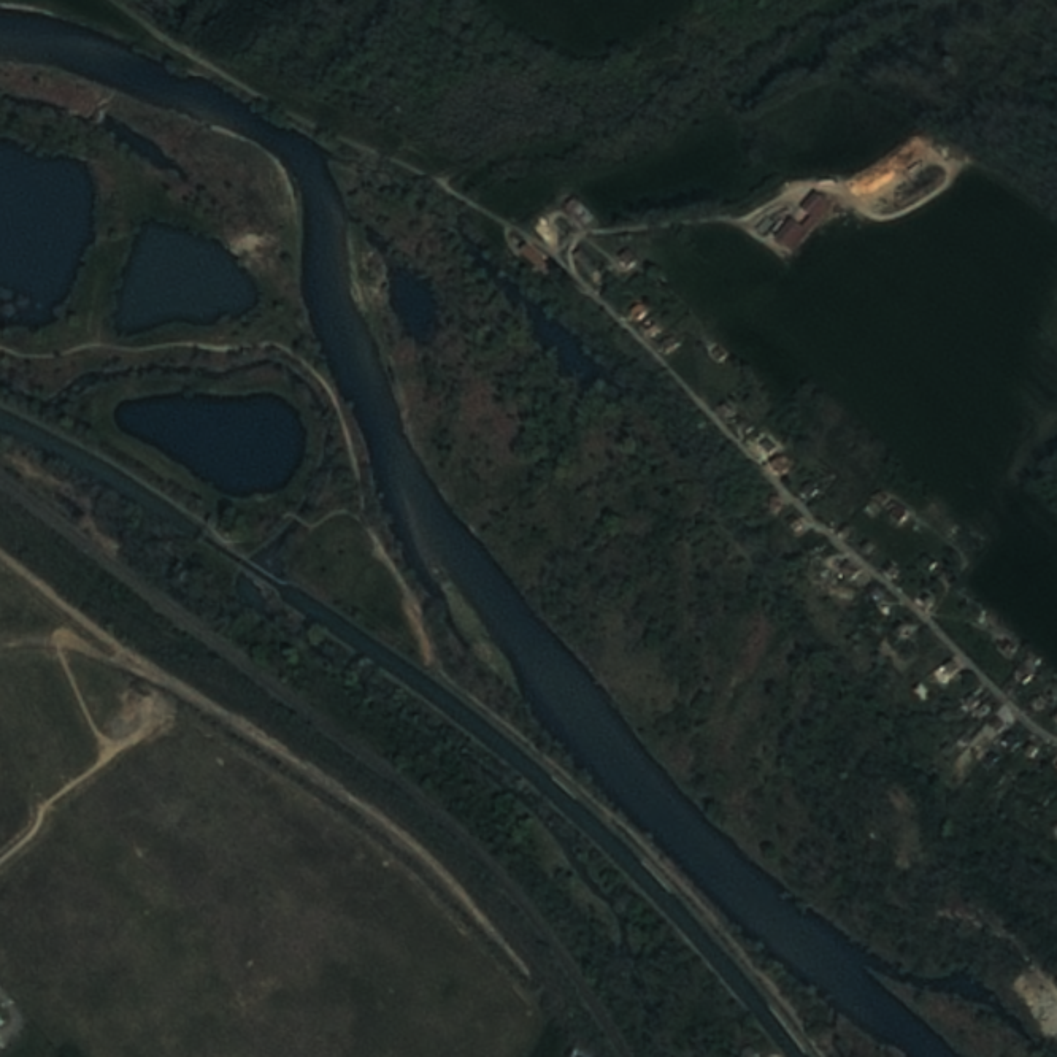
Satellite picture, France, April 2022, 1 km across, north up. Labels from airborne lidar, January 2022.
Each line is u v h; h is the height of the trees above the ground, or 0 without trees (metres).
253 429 0
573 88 16
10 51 0
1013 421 0
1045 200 22
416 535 0
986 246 0
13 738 0
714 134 0
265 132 0
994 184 0
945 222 0
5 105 11
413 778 11
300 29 11
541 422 14
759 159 16
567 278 19
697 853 0
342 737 0
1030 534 0
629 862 0
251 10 13
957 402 0
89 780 0
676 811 0
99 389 14
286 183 0
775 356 0
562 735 0
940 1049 0
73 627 0
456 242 12
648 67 12
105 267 0
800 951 0
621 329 9
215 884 0
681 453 9
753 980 0
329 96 21
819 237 0
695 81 26
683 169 0
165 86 0
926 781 21
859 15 16
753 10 19
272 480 0
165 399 0
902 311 0
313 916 0
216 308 0
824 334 0
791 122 0
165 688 0
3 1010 0
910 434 0
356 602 0
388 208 10
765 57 22
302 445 0
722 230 0
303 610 0
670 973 24
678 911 0
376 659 0
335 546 0
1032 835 7
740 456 14
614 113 18
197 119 0
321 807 0
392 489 0
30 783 0
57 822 0
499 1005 0
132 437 0
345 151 12
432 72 22
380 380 0
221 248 0
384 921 0
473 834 7
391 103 17
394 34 26
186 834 0
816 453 18
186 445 0
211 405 0
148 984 0
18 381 19
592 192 0
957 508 0
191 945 0
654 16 0
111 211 11
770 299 0
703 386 0
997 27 26
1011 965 16
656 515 7
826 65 13
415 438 0
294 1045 0
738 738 0
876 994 0
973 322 0
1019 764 0
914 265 0
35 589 0
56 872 0
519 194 0
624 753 0
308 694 0
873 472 0
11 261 0
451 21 25
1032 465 0
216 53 11
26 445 13
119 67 0
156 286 0
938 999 0
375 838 0
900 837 0
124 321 0
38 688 0
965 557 0
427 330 0
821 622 0
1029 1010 0
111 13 0
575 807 0
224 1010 0
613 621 0
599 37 0
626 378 25
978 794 0
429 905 0
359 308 0
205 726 0
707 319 0
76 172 0
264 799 0
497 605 0
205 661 10
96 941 0
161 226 0
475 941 0
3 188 0
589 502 14
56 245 0
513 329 20
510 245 0
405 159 0
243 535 22
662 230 15
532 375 14
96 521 13
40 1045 0
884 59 11
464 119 21
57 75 0
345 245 0
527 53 27
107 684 0
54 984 0
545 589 17
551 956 15
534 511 7
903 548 0
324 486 18
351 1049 0
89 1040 0
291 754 0
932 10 7
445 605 12
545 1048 0
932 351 0
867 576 0
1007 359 0
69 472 15
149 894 0
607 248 0
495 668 0
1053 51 25
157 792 0
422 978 0
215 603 20
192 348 0
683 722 5
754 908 0
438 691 0
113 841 0
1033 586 0
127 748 0
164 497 0
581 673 0
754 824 14
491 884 13
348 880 0
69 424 18
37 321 0
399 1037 0
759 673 0
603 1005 9
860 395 0
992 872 14
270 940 0
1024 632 0
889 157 0
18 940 0
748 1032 18
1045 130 30
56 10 0
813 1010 20
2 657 0
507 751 0
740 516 17
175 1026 0
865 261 0
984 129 27
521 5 0
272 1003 0
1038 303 0
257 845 0
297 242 0
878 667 10
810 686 0
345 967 0
